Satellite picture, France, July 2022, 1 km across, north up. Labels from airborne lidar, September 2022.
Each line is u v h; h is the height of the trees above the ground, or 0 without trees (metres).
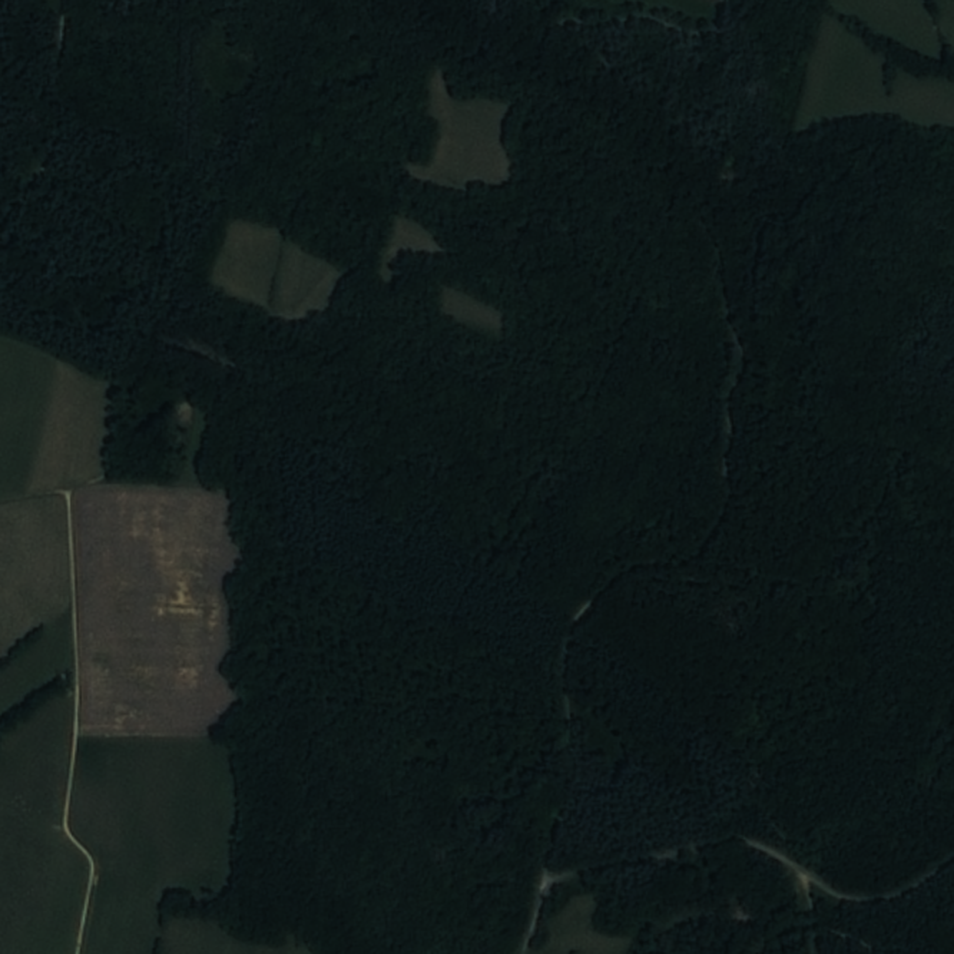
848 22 11
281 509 19
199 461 14
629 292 14
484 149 0
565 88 23
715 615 20
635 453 15
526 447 16
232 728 15
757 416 14
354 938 14
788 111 18
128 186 20
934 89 0
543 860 12
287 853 15
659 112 19
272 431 17
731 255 16
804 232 28
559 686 16
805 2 22
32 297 21
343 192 20
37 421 0
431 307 12
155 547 0
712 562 20
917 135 21
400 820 14
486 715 17
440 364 16
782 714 16
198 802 0
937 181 18
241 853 15
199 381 23
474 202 16
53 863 0
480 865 18
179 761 0
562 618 19
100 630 0
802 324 6
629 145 21
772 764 14
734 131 19
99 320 20
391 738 18
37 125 20
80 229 23
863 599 13
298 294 0
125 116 13
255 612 16
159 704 0
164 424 27
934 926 17
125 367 25
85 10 17
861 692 17
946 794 19
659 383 13
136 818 0
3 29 27
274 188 21
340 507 19
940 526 23
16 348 0
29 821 0
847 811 11
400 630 15
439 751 21
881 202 20
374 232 8
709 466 21
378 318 12
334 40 18
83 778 0
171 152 15
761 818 19
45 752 0
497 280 18
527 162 12
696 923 17
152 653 0
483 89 14
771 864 19
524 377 15
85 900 0
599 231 17
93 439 0
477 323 0
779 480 18
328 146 15
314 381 15
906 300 15
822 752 8
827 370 14
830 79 0
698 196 20
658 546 20
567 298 17
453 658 16
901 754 11
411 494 16
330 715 20
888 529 14
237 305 9
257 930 20
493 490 19
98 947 0
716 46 15
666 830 23
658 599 19
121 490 0
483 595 21
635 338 18
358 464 30
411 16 21
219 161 21
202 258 22
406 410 18
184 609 0
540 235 25
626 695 18
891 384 25
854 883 19
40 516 0
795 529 18
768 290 22
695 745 30
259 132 19
